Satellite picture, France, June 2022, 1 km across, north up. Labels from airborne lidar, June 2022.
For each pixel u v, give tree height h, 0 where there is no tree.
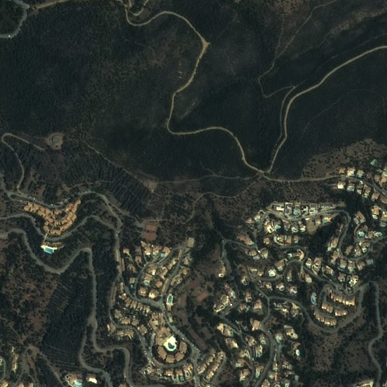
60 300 11
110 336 5
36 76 6
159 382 6
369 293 6
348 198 9
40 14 10
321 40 6
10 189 6
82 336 13
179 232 8
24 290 8
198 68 8
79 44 6
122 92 7
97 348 0
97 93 6
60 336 17
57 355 12
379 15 5
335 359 8
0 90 6
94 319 0
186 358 7
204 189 13
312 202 6
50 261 6
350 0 6
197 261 8
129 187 8
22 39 8
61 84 7
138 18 7
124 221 10
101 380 9
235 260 6
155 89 7
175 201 7
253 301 7
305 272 7
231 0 11
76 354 11
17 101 8
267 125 9
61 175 6
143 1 0
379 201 10
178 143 6
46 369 14
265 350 11
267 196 8
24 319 8
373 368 0
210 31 6
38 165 9
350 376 11
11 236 10
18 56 9
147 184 0
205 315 14
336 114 6
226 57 0
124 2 9
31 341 8
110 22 6
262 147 8
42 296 11
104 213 11
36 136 7
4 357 6
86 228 11
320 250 6
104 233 9
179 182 0
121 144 6
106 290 10
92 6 7
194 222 8
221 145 6
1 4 11
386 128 5
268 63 7
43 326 10
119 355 8
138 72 7
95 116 6
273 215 10
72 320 18
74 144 7
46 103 10
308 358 8
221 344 8
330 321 0
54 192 11
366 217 7
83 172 13
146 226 0
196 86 0
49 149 11
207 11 6
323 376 11
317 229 8
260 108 10
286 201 6
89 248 0
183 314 0
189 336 8
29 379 6
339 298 0
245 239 0
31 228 9
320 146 8
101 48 7
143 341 0
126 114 7
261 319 8
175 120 9
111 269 8
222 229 8
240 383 7
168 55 6
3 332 10
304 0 6
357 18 0
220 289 12
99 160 9
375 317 9
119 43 8
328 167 6
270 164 7
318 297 10
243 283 9
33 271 7
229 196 6
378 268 11
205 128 8
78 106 6
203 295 0
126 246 6
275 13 7
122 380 6
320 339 6
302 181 7
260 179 6
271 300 8
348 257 8
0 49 7
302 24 7
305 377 7
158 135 6
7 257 5
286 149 11
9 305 7
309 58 6
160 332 0
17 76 9
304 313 8
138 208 11
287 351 16
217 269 0
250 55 0
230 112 7
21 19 7
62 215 11
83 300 12
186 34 9
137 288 6
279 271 5
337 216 7
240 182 5
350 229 7
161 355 0
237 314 10
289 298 9
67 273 9
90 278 11
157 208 6
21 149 7
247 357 7
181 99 0
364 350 6
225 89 6
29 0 10
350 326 6
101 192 8
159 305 0
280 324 10
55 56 8
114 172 11
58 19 10
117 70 6
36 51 6
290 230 10
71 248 12
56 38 7
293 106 6
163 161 7
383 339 6
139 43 6
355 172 8
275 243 11
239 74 7
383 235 6
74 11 7
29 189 10
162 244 8
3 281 6
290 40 0
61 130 7
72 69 7
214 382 0
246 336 6
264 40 11
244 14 8
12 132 7
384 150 7
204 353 7
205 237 7
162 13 0
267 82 7
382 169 6
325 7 0
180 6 7
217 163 6
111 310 5
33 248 8
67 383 6
